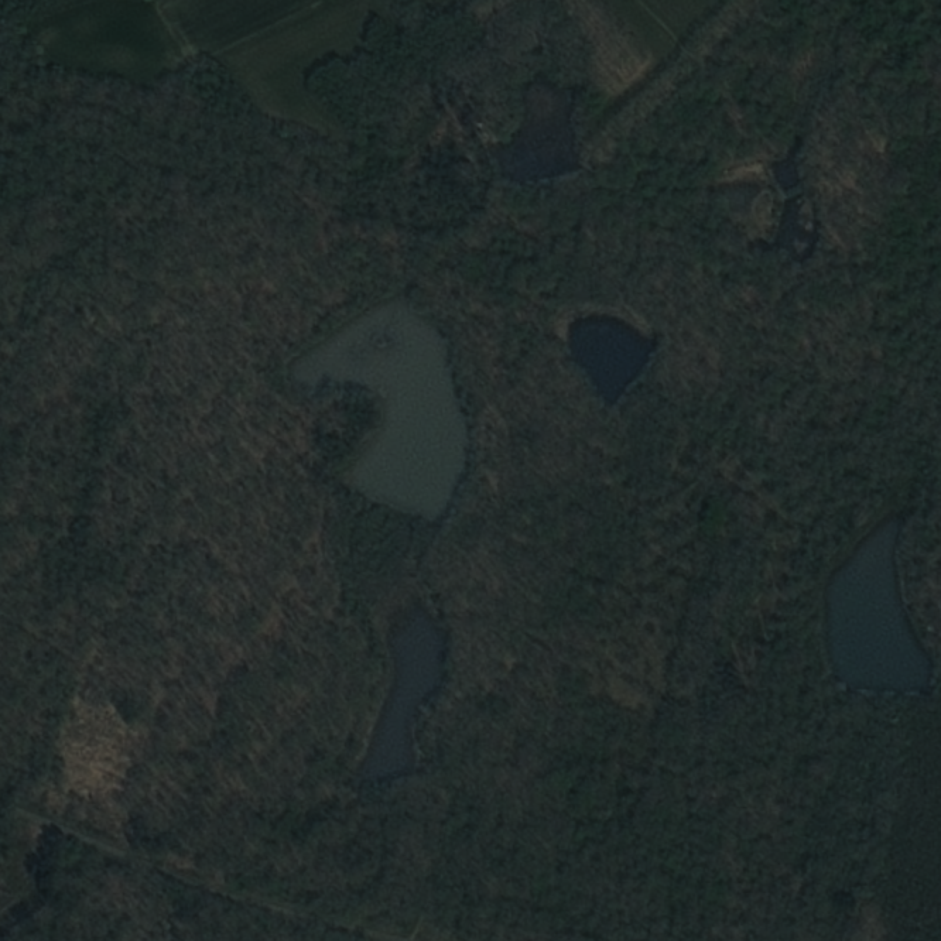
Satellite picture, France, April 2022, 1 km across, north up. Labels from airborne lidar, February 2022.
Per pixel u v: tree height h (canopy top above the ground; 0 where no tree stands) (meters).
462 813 28
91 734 0
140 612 17
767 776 29
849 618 0
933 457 23
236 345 20
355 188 12
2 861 29
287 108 0
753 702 28
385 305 0
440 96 26
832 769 29
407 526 8
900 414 20
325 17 0
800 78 20
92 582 25
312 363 0
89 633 25
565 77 22
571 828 28
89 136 26
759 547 24
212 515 25
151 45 0
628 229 26
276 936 25
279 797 27
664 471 23
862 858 27
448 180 16
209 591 26
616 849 27
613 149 0
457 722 26
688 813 22
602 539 29
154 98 25
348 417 25
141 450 26
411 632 0
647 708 0
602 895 31
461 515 19
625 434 25
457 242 28
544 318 20
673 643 27
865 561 0
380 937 0
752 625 23
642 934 25
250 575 21
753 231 0
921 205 15
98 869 27
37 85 27
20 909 0
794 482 29
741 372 28
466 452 0
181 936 25
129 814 24
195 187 25
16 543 28
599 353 0
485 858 30
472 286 25
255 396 27
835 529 24
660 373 19
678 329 23
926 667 0
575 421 30
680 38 0
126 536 25
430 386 0
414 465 0
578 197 23
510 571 34
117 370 25
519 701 23
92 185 23
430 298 23
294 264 29
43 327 20
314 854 25
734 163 22
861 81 28
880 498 23
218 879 12
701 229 17
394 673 0
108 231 23
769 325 27
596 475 26
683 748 27
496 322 27
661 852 26
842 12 28
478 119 28
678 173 26
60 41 0
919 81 31
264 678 27
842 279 24
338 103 18
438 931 21
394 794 27
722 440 22
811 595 17
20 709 30
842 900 21
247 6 0
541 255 25
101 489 23
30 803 25
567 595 28
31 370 28
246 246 26
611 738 22
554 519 29
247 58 0
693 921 25
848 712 26
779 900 27
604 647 24
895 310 24
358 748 19
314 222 28
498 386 22
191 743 29
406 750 0
